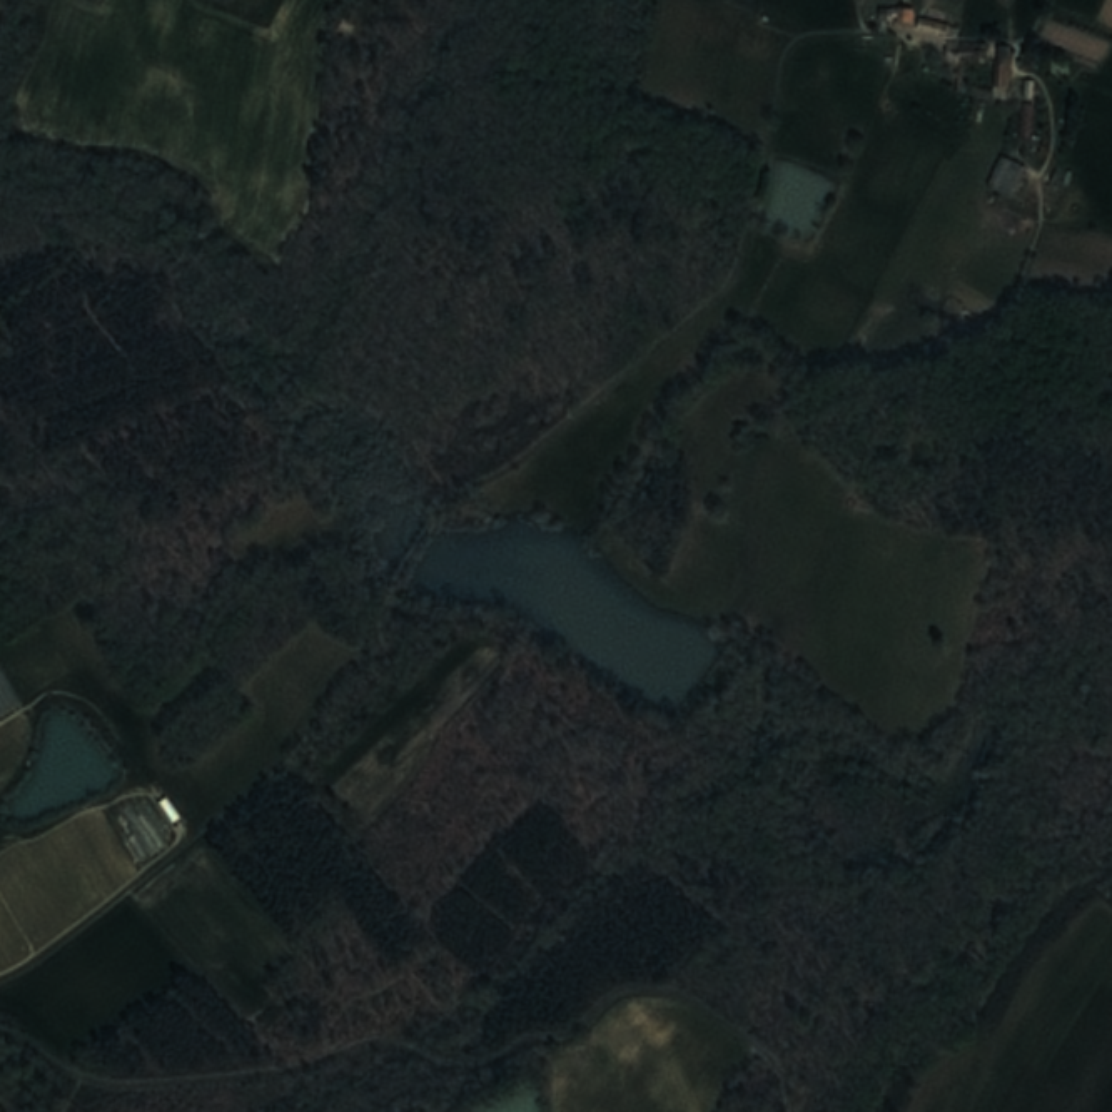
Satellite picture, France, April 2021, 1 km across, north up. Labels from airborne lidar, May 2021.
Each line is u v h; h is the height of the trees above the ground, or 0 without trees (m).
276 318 19
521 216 13
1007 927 21
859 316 0
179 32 0
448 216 13
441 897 11
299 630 14
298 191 0
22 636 11
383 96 13
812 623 0
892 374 24
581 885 13
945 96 0
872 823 11
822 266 0
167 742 17
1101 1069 0
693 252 14
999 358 26
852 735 9
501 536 0
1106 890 15
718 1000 13
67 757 0
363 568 21
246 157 0
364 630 22
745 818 22
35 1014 0
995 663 16
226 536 14
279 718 0
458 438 9
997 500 22
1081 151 0
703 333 0
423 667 19
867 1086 20
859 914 14
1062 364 18
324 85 13
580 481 0
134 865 0
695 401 26
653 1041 0
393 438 15
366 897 17
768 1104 17
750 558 0
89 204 22
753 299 0
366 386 20
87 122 0
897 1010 18
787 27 0
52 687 0
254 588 25
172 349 18
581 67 20
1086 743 10
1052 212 0
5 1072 18
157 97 0
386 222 23
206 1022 17
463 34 21
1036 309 22
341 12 11
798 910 14
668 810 19
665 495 24
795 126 0
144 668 21
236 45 0
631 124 22
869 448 19
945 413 22
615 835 13
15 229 19
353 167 10
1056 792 12
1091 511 26
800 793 12
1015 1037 0
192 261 14
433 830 7
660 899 19
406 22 13
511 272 8
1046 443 20
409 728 0
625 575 0
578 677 21
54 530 21
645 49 8
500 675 0
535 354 13
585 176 19
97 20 0
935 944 16
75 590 15
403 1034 0
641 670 0
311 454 18
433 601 16
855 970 17
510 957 10
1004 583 13
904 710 0
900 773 16
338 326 21
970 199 0
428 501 8
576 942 20
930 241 0
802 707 24
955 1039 15
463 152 17
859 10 0
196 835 0
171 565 15
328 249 20
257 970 0
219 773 0
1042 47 11
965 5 0
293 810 17
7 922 0
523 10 20
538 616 0
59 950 0
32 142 14
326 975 10
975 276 0
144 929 0
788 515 0
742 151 26
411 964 10
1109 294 20
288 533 0
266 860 16
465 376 15
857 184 0
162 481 7
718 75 0
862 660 0
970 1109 0
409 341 15
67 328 11
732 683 22
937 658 0
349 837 13
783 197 0
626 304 17
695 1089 0
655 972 16
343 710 21
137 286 13
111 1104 7
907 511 14
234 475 19
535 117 20
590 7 17
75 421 14
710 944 16
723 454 0
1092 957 0
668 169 19
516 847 10
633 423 0
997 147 0
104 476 8
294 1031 12
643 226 24
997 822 18
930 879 16
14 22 15
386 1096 14
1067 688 23
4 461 18
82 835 0
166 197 16
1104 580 18
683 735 25
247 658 13
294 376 18
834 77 0
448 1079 15
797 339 0
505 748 7
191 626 17
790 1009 11
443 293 16
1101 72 0
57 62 0
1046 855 24
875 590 0
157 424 14
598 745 14
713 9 0
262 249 0
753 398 0
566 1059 0
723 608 0
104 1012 0
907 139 0
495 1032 19
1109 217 0
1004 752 14
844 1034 16
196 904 0
